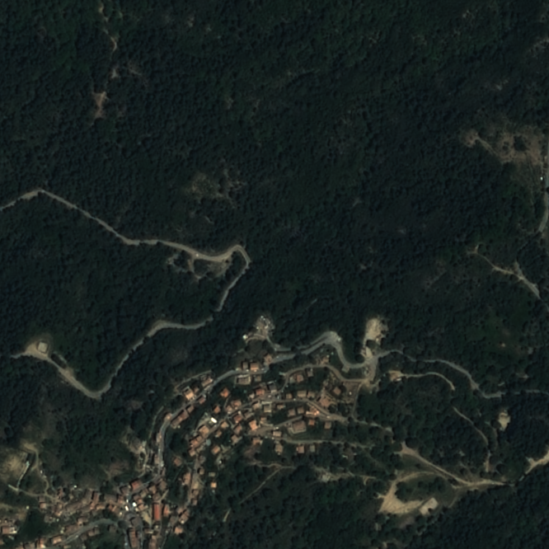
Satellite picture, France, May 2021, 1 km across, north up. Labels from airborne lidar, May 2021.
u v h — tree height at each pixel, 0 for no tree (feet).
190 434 31
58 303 59
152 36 27
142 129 55
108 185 50
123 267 49
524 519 41
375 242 27
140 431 57
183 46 23
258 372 0
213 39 20
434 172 44
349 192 40
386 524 64
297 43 65
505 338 0
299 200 17
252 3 62
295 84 52
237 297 24
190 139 31
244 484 59
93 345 72
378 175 24
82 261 23
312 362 45
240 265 24
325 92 29
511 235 21
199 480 0
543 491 43
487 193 79
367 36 31
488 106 20
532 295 26
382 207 65
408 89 77
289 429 0
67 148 70
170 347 31
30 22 47
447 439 42
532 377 27
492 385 55
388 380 40
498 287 67
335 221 27
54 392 64
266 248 51
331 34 26
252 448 0
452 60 30
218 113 58
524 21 36
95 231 42
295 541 56
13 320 56
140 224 43
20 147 85
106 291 68
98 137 48
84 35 32
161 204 18
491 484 0
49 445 36
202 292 42
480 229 35
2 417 82
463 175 48
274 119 48
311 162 23
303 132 19
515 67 52
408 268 72
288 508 32
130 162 58
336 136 34
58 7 71
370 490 45
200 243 45
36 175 78
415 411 41
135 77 40
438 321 64
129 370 43
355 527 43
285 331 59
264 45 27
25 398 60
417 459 0
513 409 45
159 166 52
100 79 56
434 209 46
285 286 52
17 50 62
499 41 51
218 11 48
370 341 38
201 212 39
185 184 20
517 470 0
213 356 54
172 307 61
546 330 47
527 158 0
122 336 63
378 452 47
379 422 38
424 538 48
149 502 36
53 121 64
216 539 33
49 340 0
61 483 33
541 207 62
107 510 35
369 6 49
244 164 50
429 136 24
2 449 0
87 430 37
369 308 39
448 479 0
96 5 65
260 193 20
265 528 44
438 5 33
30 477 22
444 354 29
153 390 44
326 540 72
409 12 29
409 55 20
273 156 19
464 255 55
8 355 70
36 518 60
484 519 26
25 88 66
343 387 31
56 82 81
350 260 23
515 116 25
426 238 19
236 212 43
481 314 20
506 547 43
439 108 22
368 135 54
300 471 49
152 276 38
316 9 23
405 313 62
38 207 30
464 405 54
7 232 30
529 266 45
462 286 34
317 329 35
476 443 64
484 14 36
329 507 31
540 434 72
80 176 58
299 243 60
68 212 73
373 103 74
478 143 26
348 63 47
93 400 50
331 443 43
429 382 17
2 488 0
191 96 31
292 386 22
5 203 64
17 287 32
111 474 0
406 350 41
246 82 21
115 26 38
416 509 0
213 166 27
